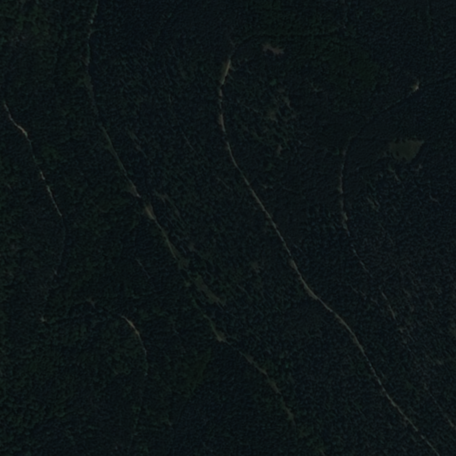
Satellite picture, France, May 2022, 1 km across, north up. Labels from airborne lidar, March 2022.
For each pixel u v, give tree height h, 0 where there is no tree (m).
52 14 24
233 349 17
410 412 30
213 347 23
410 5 22
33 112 22
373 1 21
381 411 33
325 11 22
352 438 31
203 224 11
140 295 28
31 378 30
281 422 26
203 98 7
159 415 24
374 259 31
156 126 8
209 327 22
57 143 27
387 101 21
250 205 7
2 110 26
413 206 24
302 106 21
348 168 14
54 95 28
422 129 18
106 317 23
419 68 29
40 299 27
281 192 14
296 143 11
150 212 0
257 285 27
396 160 27
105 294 21
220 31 19
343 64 24
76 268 20
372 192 30
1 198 24
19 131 22
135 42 24
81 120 26
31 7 32
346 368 30
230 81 6
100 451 24
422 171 27
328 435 34
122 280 26
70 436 24
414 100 21
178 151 35
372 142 18
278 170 12
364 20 25
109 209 29
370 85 23
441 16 19
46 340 24
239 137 32
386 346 33
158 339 28
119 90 28
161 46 18
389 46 17
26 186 25
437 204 8
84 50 33
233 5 22
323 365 34
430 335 24
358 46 26
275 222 18
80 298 23
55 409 26
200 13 14
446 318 27
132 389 26
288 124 9
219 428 21
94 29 18
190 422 20
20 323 26
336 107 20
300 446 20
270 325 32
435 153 15
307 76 19
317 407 20
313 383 30
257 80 10
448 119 22
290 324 18
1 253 28
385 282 26
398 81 25
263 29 23
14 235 23
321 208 16
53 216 23
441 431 32
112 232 32
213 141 11
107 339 28
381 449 25
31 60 27
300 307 23
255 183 13
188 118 9
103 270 27
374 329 33
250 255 9
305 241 12
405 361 25
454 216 24
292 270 31
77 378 23
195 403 21
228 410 23
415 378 27
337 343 29
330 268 27
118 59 26
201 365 23
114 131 30
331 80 22
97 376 19
